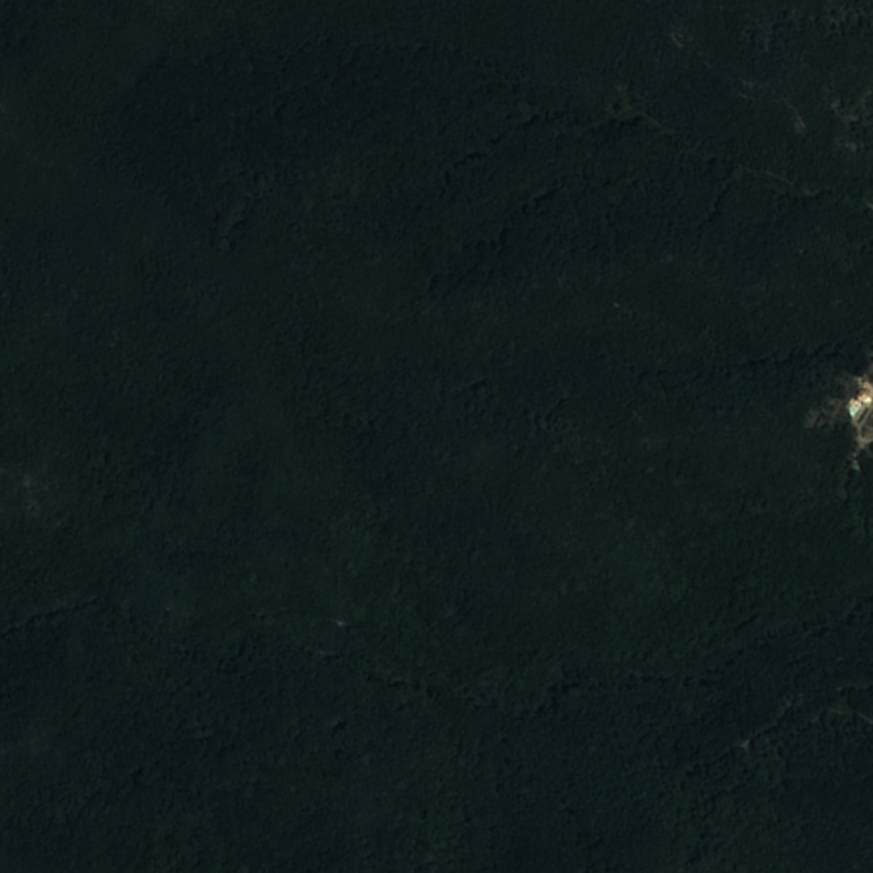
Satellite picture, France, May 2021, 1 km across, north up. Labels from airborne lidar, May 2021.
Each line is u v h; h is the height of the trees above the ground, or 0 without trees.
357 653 15
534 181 12
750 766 14
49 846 9
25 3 16
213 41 14
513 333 7
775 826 14
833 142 10
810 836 11
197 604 9
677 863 13
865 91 9
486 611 12
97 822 11
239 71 17
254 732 9
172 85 17
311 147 14
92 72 9
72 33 9
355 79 16
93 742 9
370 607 8
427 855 16
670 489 8
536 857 11
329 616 8
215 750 16
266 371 8
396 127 14
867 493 8
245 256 5
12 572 12
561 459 11
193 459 8
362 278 8
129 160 9
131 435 12
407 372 8
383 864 10
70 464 9
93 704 9
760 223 15
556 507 7
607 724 11
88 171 7
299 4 14
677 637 12
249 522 11
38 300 7
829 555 6
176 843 10
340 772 17
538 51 9
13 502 7
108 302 8
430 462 9
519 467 7
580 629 14
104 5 9
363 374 7
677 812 12
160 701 19
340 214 14
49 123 14
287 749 18
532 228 12
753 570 10
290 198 8
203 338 6
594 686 18
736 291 7
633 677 23
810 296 8
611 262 12
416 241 11
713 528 11
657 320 8
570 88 16
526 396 14
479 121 14
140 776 19
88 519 7
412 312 9
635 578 7
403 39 13
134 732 14
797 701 11
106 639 19
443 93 13
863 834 8
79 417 15
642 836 8
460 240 19
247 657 10
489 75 17
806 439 7
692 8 7
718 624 13
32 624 12
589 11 13
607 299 9
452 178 18
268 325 8
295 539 10
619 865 14
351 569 9
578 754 8
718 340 14
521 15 14
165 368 12
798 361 17
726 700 11
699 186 12
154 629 7
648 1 8
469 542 9
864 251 11
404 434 10
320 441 8
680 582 16
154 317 13
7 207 6
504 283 12
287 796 17
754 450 7
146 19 8
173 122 14
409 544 16
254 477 12
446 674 15
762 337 13
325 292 7
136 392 8
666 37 7
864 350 19
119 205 6
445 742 10
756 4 9
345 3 10
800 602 8
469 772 13
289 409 11
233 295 6
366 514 16
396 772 6
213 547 9
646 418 15
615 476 10
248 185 17
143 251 6
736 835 11
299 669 14
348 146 13
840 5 12
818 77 11
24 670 14
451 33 16
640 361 7
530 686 16
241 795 14
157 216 5
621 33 15
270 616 13
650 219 15
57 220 5
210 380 11
